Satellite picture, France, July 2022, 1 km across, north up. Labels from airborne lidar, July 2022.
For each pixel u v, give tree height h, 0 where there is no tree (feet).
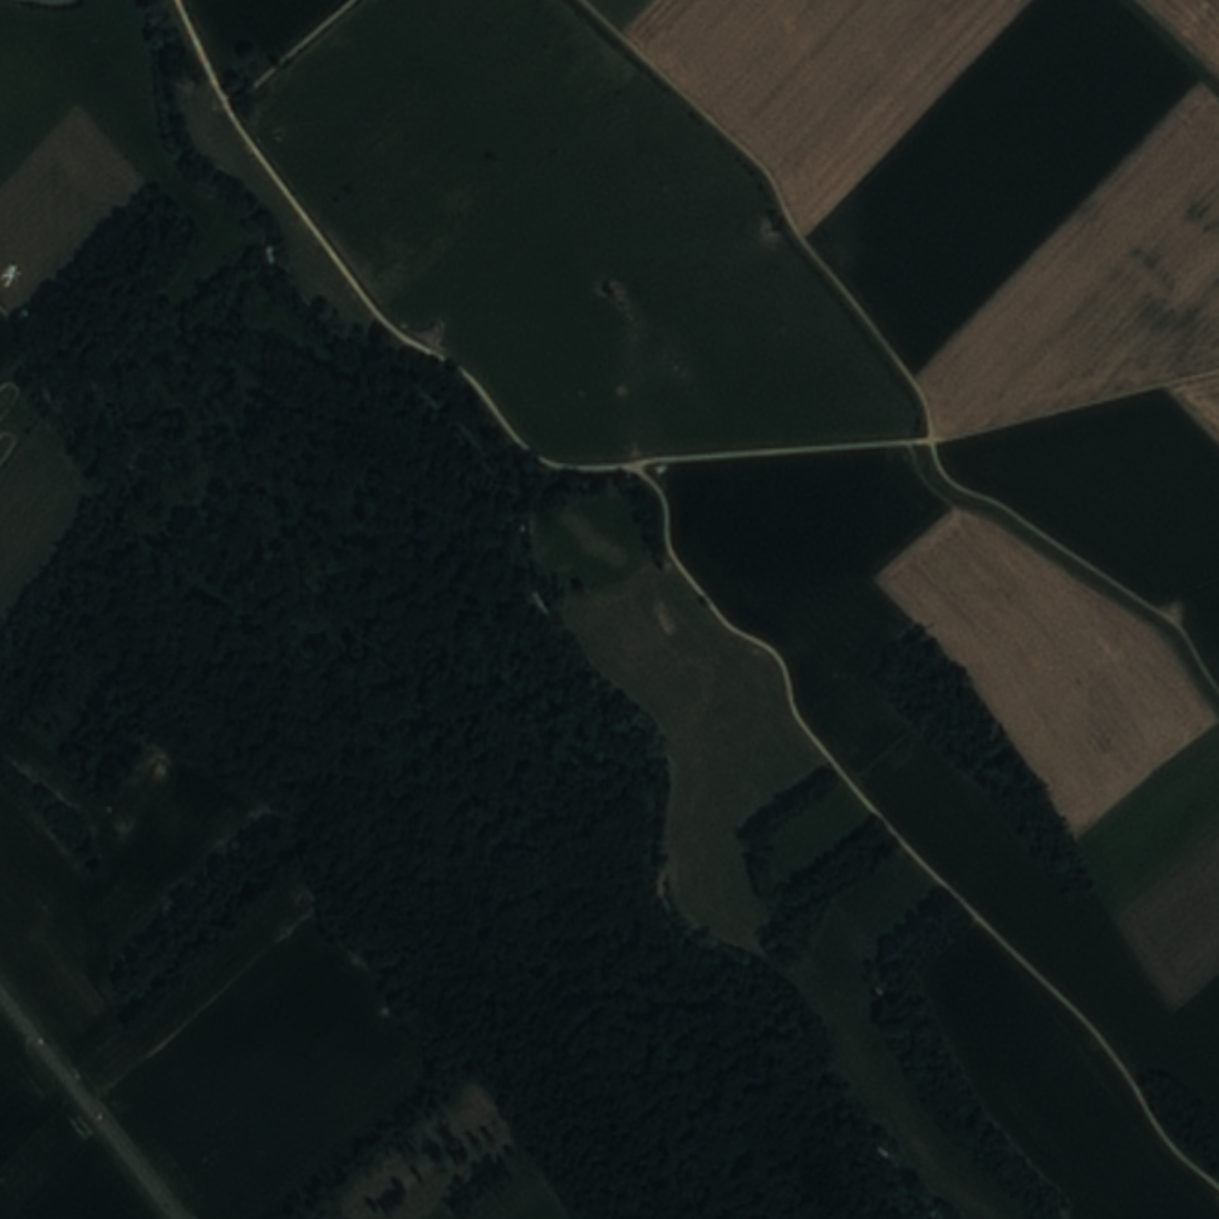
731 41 0
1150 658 0
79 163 0
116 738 79
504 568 54
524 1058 62
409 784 54
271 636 86
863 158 0
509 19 0
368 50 0
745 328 0
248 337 95
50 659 55
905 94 0
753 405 0
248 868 45
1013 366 0
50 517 0
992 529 0
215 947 26
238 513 90
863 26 0
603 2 0
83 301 66
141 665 86
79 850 67
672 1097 63
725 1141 85
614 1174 55
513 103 0
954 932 73
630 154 0
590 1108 56
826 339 0
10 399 0
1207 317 0
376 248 0
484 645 44
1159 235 0
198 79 46
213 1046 0
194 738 88
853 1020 0
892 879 0
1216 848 0
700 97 0
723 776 0
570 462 0
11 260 0
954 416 0
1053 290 0
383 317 0
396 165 0
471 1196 102
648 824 58
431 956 85
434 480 80
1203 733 0
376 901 71
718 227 0
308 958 0
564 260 0
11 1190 0
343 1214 0
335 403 82
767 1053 62
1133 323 0
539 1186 0
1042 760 0
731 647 0
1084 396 0
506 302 0
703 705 0
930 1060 44
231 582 87
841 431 0
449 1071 68
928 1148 0
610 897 84
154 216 38
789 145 0
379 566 65
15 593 0
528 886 68
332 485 77
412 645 58
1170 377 0
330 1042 0
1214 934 0
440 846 85
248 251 44
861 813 0
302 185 0
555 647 68
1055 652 0
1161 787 0
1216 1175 34
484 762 78
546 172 0
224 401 73
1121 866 0
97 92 0
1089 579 0
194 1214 0
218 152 0
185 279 0
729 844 0
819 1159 57
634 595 0
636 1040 74
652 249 0
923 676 52
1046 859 55
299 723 104
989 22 0
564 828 78
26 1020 0
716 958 41
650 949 83
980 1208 0
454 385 21
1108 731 0
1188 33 0
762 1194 64
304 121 0
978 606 0
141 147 0
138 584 66
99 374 77
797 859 0
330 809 68
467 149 0
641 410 0
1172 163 0
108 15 0
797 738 0
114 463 53
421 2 0
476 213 0
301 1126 0
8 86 0
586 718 92
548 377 0
